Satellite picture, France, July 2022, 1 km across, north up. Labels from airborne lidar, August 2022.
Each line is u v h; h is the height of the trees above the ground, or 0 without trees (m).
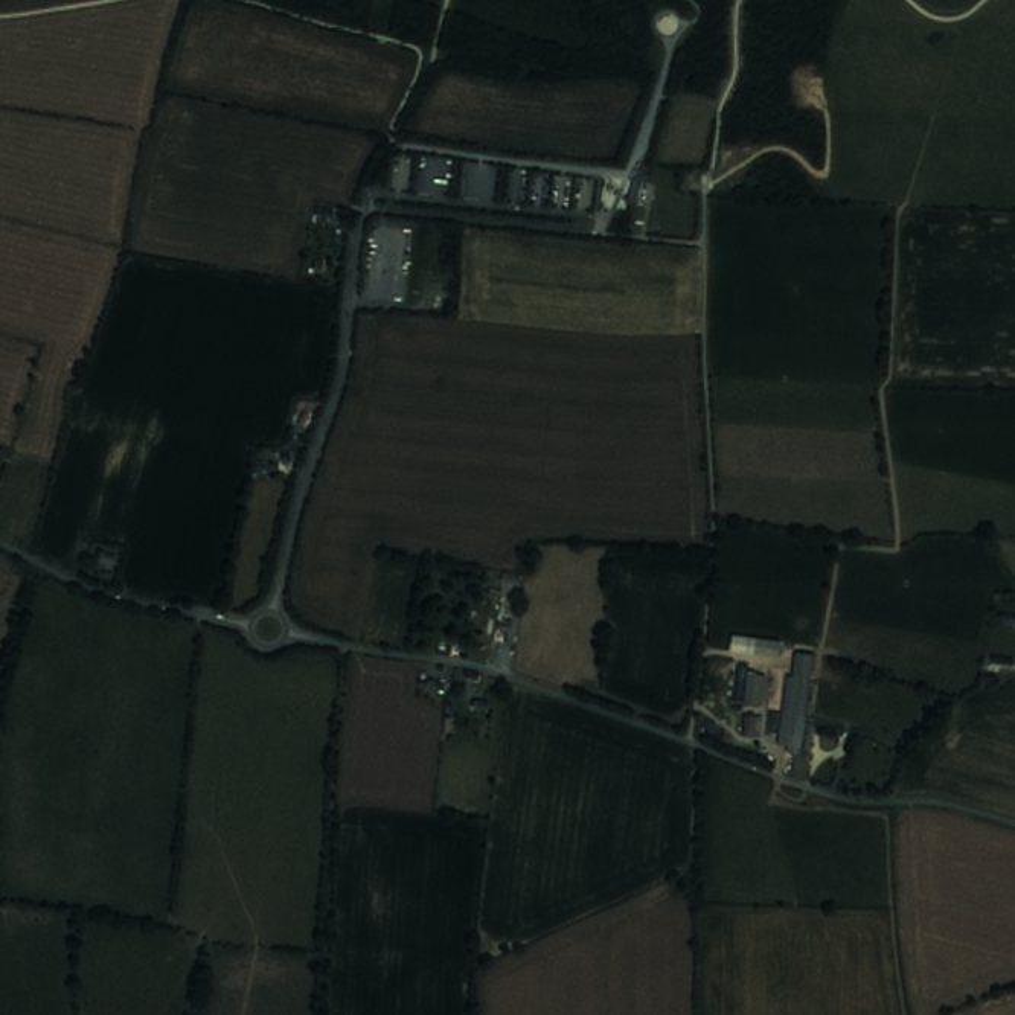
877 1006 0
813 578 0
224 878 0
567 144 0
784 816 0
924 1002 0
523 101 0
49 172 0
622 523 0
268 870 0
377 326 0
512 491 0
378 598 0
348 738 0
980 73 0
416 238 0
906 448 0
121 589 9
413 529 0
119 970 0
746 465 0
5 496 0
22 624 15
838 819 0
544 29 0
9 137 0
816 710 0
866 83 0
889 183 0
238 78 0
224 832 0
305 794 0
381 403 0
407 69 0
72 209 0
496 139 0
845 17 0
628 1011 0
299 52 0
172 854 10
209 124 0
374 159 9
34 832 0
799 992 0
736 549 0
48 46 0
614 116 0
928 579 0
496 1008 0
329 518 0
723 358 0
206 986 17
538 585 0
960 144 0
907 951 0
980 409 0
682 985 0
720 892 0
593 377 0
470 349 0
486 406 0
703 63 6
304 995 0
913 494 0
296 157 0
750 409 0
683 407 0
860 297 0
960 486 0
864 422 0
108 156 0
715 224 0
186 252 0
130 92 0
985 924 0
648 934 0
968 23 0
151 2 0
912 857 0
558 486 0
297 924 0
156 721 0
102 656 0
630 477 0
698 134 0
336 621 0
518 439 0
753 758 12
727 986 0
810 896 0
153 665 0
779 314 0
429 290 0
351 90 0
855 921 0
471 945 14
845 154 0
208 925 0
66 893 0
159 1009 0
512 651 0
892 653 0
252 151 0
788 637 0
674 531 0
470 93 0
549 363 0
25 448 0
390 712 0
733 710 0
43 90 0
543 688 0
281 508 8
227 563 12
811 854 0
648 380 0
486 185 0
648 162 6
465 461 0
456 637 11
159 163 0
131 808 0
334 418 7
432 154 8
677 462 0
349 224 6
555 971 0
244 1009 0
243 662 0
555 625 0
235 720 0
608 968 0
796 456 0
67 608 0
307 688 0
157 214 0
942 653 0
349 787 0
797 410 0
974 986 0
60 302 0
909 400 0
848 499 0
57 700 0
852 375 0
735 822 0
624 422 0
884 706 0
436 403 0
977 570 0
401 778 0
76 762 0
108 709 0
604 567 14
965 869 0
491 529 0
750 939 0
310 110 0
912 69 0
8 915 0
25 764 0
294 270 0
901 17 0
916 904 0
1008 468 0
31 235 0
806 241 0
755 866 0
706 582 12
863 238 0
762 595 0
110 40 0
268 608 0
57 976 0
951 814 0
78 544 0
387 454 0
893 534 0
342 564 0
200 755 0
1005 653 0
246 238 0
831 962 0
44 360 0
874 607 0
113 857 0
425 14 8
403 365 0
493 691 9
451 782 0
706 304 0
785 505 0
